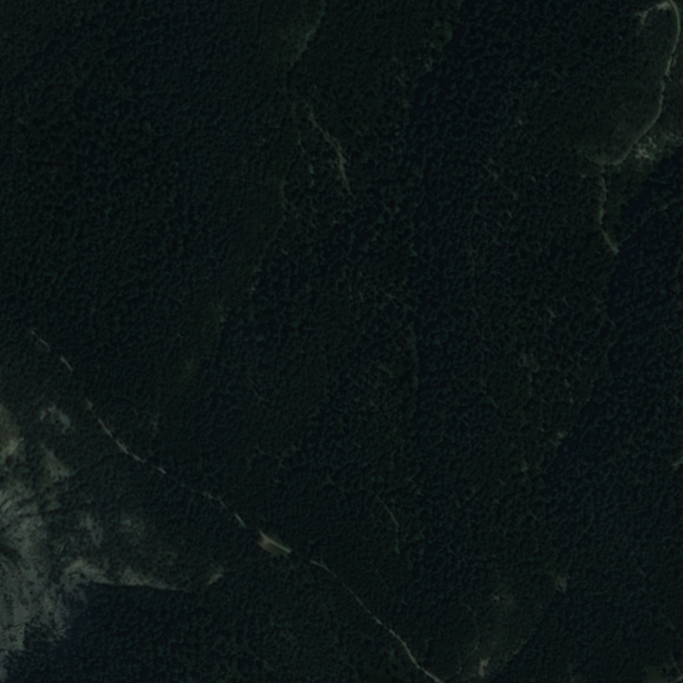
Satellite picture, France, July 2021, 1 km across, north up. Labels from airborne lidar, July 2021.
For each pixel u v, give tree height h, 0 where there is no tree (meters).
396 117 10
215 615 12
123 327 24
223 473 15
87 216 10
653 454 16
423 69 23
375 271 26
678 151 13
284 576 14
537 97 12
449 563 18
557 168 13
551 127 16
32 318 19
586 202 22
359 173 24
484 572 13
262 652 14
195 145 18
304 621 13
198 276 18
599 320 16
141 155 22
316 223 20
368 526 18
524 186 29
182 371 14
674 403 22
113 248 22
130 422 11
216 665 21
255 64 15
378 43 19
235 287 10
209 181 19
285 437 15
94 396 13
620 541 19
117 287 24
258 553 26
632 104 5
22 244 20
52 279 25
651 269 33
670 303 23
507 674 17
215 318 12
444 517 29
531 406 21
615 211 11
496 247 23
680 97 8
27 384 12
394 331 6
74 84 12
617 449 21
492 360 17
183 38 33
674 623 14
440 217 32
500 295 29
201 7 28
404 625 14
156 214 16
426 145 30
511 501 20
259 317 11
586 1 29
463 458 21
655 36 10
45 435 10
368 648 20
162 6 28
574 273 23
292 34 6
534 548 24
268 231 8
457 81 14
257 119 22
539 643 19
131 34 31
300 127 15
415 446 22
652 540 15
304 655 16
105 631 21
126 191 27
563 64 15
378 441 13
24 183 17
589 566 9
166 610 32
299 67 15
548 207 27
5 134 18
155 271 24
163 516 17
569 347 26
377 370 30
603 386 33
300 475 22
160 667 27
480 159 9
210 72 21
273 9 15
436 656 18
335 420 19
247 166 12
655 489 21
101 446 8
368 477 31
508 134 25
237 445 27
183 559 8
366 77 19
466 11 12
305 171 14
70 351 21
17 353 13
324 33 17
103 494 14
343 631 14
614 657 16
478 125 17
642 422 18
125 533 6
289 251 21
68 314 17
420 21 13
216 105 14
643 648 20
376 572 18
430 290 10
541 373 17
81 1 20
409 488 19
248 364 25
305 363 18
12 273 26
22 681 18
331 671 20
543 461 8
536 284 19
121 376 20
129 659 29
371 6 20
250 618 10
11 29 19
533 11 19
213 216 25
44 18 16
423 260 17
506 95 20
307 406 17
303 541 19
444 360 30
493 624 7
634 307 19
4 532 7
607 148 8
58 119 15
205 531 18
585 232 15
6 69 20
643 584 29
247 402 20
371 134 9
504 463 14
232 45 16
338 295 11
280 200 8
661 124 7
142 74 31
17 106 24
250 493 21
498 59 18
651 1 8
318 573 21
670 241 22
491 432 24
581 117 13
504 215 9
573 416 25
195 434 14
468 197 14
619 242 21
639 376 16
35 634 9
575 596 20
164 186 11
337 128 7
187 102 19
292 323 15
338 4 14
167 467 7
